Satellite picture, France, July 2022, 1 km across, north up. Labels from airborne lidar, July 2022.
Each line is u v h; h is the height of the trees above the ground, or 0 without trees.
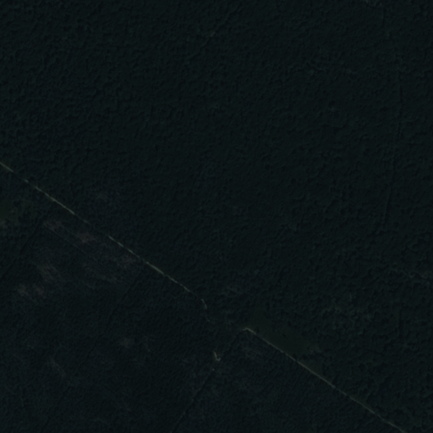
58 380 16
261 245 20
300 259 25
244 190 19
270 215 20
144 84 24
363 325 17
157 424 18
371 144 28
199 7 18
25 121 24
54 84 16
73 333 21
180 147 25
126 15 22
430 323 16
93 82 25
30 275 23
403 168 25
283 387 13
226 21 6
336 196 21
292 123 24
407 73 26
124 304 14
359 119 21
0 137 19
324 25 26
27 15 27
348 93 20
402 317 12
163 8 20
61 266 19
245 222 17
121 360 19
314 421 18
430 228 26
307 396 14
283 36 21
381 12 17
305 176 25
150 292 12
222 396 20
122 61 29
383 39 26
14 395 18
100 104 23
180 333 16
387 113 25
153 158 24
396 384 24
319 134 23
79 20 23
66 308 17
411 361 22
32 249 18
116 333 12
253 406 12
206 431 14
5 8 23
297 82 21
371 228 11
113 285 12
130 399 20
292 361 15
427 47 24
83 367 15
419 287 25
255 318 0
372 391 22
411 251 28
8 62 28
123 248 7
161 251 23
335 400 17
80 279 14
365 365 21
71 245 20
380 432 16
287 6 20
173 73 22
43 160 19
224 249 26
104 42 19
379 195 21
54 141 24
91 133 22
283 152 21
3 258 22
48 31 21
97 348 15
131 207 23
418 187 20
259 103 21
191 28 23
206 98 21
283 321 18
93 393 18
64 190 21
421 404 20
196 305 17
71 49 20
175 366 16
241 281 27
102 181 16
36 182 20
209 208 23
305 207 23
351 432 16
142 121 23
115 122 25
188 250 18
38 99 19
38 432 12
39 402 23
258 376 17
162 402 19
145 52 22
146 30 24
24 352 17
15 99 20
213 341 18
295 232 22
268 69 23
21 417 11
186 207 22
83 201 23
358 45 19
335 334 25
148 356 19
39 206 14
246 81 21
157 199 24
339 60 19
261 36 18
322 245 22
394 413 26
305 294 23
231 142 20
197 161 18
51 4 22
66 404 18
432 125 18
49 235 16
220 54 7
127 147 23
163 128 23
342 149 24
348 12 20
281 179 24
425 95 24
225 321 15
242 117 20
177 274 16
